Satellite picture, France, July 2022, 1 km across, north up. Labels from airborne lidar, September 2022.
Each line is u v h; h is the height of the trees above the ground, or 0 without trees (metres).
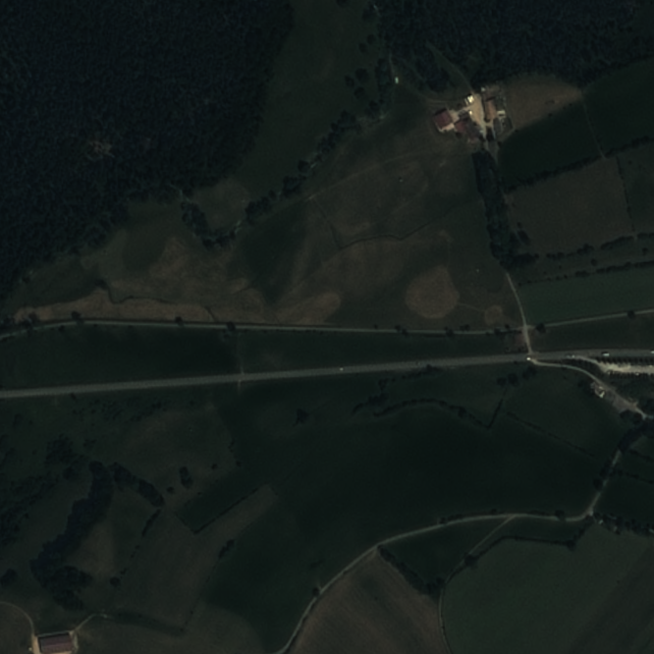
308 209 0
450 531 0
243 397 0
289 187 13
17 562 0
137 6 21
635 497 0
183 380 0
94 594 0
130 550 0
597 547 0
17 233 25
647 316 0
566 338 0
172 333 0
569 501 0
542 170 0
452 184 0
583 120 0
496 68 7
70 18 26
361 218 0
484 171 27
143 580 0
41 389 0
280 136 0
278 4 29
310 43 0
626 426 0
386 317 0
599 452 0
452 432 0
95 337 0
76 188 26
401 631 0
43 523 0
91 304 0
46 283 0
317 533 0
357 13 0
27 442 0
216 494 0
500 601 0
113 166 27
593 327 0
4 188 29
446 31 26
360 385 0
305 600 0
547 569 0
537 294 0
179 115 25
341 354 0
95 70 22
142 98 19
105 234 20
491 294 0
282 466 0
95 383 0
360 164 0
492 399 0
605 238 0
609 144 0
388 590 0
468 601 0
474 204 0
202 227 19
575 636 0
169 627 0
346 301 0
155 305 0
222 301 0
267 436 0
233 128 24
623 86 0
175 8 21
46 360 0
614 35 8
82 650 0
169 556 0
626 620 0
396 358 0
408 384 0
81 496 0
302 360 0
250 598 0
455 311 0
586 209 0
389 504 0
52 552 23
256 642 0
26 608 0
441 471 0
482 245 0
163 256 0
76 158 23
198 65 25
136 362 0
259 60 26
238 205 0
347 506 0
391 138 0
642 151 0
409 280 0
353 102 0
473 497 0
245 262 0
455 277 0
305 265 0
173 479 0
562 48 13
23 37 23
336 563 0
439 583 11
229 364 0
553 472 0
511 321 0
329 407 0
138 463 0
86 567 0
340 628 0
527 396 0
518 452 0
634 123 0
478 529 0
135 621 0
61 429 0
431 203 0
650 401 7
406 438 0
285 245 0
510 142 0
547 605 0
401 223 0
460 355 0
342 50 0
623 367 0
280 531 0
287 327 0
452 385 0
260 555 0
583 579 0
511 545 0
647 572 0
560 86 0
